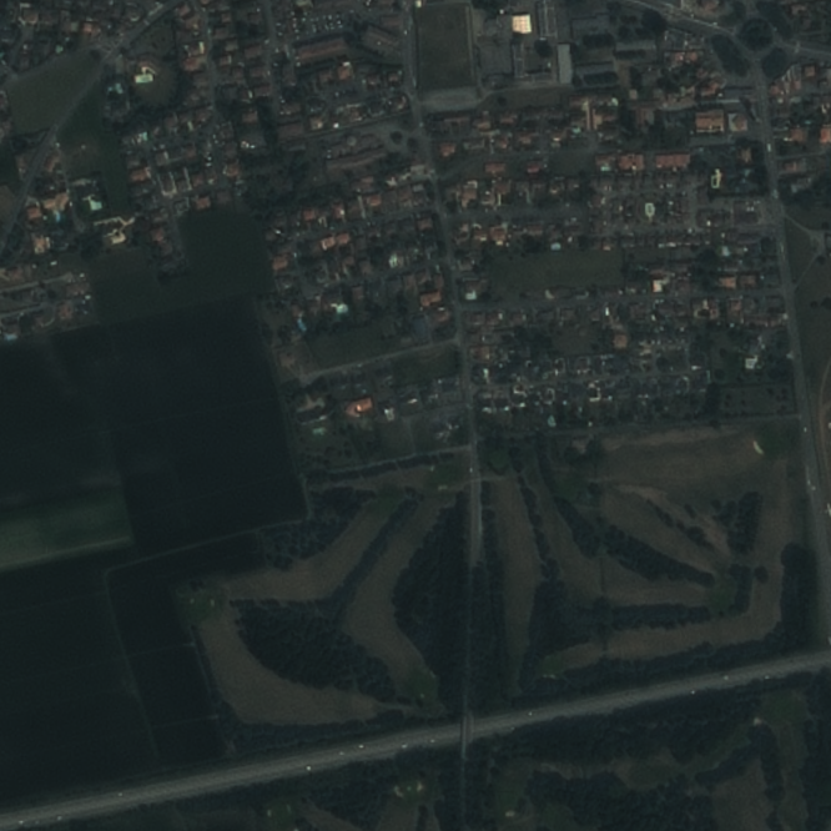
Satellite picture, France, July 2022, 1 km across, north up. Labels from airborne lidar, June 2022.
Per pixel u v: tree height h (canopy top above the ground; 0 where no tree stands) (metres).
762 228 0
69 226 13
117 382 0
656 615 19
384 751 0
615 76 12
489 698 14
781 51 11
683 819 15
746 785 0
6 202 0
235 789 7
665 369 15
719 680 0
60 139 0
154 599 0
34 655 0
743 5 10
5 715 0
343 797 15
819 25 6
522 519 0
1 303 0
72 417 0
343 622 12
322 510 13
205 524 0
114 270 0
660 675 15
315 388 11
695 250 11
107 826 0
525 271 0
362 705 0
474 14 0
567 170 0
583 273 0
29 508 0
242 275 0
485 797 12
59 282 0
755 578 9
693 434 0
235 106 10
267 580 0
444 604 20
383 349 0
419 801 0
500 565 15
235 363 0
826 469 0
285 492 0
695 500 0
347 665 8
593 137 0
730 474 0
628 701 0
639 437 0
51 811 0
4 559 0
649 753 18
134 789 0
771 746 24
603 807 25
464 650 18
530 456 0
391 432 0
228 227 0
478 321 0
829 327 0
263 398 0
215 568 0
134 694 0
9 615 0
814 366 0
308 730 15
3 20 20
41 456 0
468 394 0
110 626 0
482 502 7
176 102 8
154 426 0
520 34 12
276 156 5
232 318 0
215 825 0
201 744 0
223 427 0
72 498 0
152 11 0
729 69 13
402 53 0
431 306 6
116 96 14
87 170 0
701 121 0
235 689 0
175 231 0
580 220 0
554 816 0
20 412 0
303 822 11
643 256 0
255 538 0
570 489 0
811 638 8
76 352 0
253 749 15
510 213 0
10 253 15
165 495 0
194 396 0
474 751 20
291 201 15
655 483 0
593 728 21
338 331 12
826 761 18
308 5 0
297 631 10
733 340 11
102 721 0
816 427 0
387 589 0
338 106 0
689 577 17
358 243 0
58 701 0
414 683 0
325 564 0
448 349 0
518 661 0
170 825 0
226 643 0
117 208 0
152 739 0
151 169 0
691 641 0
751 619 0
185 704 0
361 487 0
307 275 7
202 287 0
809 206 16
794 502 0
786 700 0
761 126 0
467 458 0
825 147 0
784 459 0
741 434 0
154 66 0
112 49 0
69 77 0
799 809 0
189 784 0
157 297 0
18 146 8
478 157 0
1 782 0
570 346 0
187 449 0
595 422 6
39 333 0
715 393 14
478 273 7
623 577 0
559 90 0
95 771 0
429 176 0
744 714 17
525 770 0
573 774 0
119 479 0
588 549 17
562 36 0
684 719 7
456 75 0
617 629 13
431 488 0
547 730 22
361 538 0
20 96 0
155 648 0
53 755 0
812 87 0
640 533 0
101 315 0
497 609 12
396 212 0
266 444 0
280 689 0
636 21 11
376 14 0
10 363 0
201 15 0
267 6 0
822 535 0
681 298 0
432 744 0
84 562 0
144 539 0
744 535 9
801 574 15
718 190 8
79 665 0
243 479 0
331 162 0
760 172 12
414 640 11
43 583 0
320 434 0
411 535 0
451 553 20
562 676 0
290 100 21
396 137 13
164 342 0
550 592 16
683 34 0
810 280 0
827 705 22
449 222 0
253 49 0
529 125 7
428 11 0
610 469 0
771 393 13
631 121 7
